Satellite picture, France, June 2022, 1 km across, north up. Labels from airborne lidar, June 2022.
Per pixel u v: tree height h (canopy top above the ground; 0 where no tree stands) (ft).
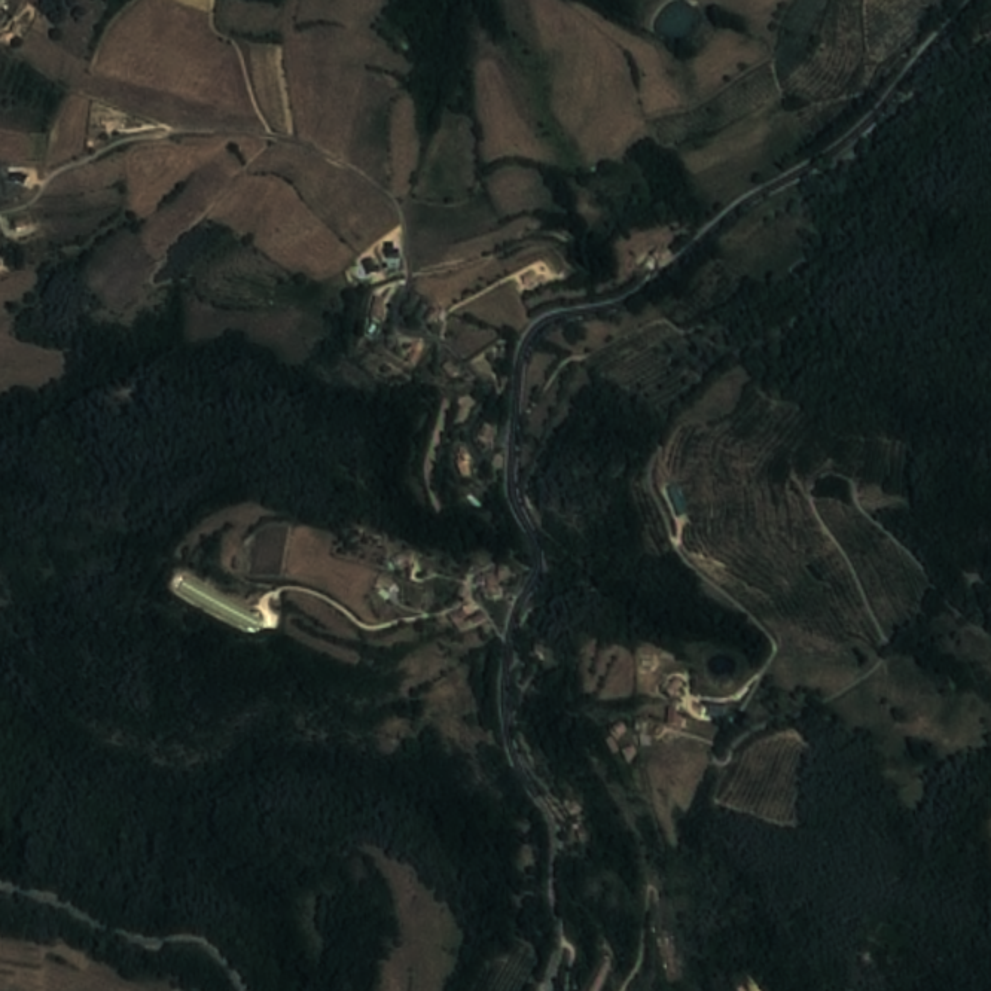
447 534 46
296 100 0
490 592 0
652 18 0
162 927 73
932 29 46
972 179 49
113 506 56
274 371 52
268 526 23
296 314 0
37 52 0
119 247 0
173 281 25
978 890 48
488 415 22
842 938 39
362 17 0
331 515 56
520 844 19
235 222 0
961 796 49
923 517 44
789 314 31
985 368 75
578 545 21
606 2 67
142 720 27
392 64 0
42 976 0
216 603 0
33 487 21
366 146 0
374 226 0
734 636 40
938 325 75
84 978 0
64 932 52
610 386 33
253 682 38
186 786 61
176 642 35
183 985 39
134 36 0
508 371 44
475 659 26
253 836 37
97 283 0
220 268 0
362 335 27
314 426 56
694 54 41
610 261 38
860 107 53
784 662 0
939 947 44
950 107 35
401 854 52
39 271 29
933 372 69
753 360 37
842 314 64
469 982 71
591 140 0
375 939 39
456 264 0
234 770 72
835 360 67
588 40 0
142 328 31
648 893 0
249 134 0
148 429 45
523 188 0
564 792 21
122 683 64
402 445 35
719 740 29
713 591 0
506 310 0
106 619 34
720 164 0
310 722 29
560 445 39
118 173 0
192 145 0
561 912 54
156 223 0
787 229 0
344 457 62
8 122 0
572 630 43
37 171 0
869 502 0
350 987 46
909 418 59
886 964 28
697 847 30
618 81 0
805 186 41
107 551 23
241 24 0
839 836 38
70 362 37
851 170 38
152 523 23
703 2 0
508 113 0
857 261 52
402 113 0
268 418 80
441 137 0
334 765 90
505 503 32
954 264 66
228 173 0
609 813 17
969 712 0
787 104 25
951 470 54
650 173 22
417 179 30
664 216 48
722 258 37
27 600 31
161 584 19
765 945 51
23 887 52
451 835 58
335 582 0
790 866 39
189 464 48
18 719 71
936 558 59
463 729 0
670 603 47
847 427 47
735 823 46
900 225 51
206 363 84
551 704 29
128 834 65
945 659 53
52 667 30
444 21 21
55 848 53
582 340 39
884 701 23
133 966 50
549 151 0
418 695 39
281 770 51
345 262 0
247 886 71
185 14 0
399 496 78
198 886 60
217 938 48
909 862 56
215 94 0
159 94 0
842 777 49
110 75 0
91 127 0
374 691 21
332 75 0
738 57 0
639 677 0
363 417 64
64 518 52
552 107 0
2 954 0
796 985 36
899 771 0
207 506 39
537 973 44
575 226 37
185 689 65
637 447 53
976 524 25
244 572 0
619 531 39
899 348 63
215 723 34
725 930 29
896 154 31
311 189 0
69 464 64
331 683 24
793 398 42
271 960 54
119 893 62
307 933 0
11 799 37
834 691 0
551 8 0
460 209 0
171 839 71
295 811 70
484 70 0
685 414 19
